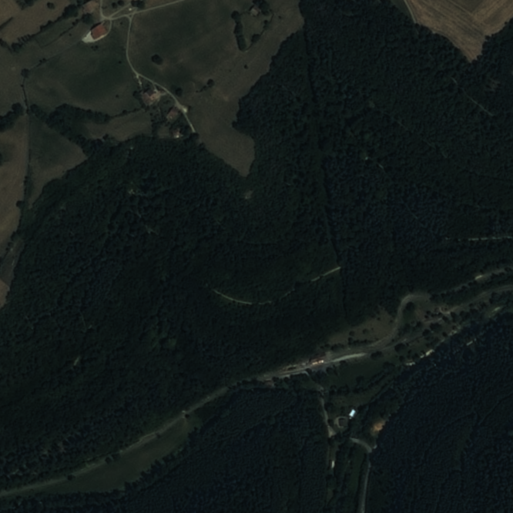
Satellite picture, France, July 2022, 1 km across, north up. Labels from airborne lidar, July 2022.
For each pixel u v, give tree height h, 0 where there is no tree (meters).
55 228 26
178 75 0
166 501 17
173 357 35
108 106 0
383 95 27
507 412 14
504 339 31
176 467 9
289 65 21
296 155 26
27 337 32
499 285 16
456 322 15
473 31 0
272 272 8
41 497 8
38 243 20
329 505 6
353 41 17
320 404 15
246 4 0
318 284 11
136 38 0
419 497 18
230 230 22
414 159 13
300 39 22
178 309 22
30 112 8
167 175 20
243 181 11
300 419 16
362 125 27
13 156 0
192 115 0
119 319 15
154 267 16
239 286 10
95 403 23
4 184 0
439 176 19
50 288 27
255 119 24
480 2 0
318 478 27
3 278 0
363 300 17
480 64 23
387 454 20
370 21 6
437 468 21
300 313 21
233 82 0
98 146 24
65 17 14
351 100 30
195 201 27
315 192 33
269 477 16
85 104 0
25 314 26
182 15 0
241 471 16
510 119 23
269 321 16
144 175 37
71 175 15
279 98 32
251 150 0
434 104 17
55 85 0
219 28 0
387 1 22
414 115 26
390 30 21
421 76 21
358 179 37
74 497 24
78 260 11
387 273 26
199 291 25
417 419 21
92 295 28
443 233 29
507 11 0
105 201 21
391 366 21
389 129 24
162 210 34
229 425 24
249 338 22
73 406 16
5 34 0
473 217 9
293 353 15
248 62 0
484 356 19
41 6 0
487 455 23
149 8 0
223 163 11
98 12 0
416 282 16
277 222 19
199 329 20
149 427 15
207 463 12
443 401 21
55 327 18
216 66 0
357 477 0
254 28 0
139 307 15
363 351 0
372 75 22
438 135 26
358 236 31
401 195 22
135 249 24
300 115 26
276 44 0
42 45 0
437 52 8
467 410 24
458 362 33
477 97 13
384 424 0
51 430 33
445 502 17
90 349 22
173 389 21
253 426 18
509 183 22
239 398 24
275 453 17
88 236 29
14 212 0
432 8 0
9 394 19
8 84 0
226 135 0
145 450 0
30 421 16
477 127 19
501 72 17
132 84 0
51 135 0
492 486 26
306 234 28
